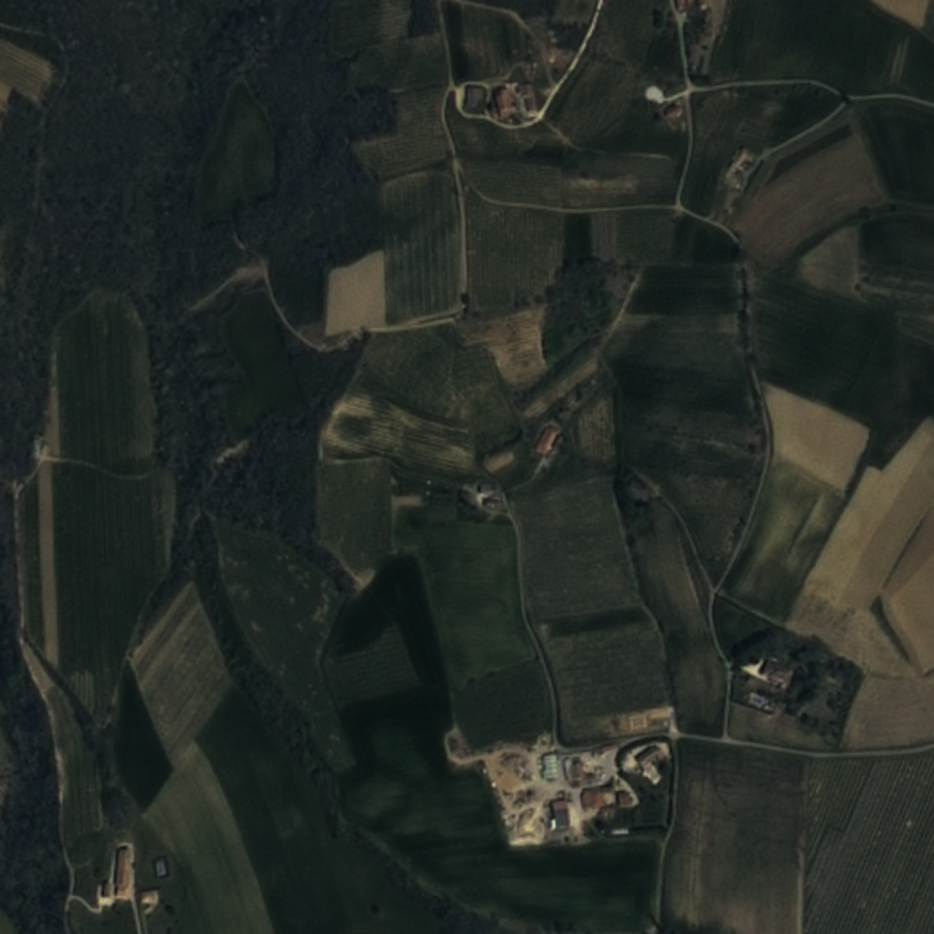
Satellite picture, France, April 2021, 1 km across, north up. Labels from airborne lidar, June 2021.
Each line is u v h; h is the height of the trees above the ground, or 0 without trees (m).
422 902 8
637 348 0
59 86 19
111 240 20
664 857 0
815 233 0
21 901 17
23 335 21
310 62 14
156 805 0
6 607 15
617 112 0
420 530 0
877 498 0
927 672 0
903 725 0
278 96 17
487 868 0
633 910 0
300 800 0
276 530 19
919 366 0
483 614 0
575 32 10
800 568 0
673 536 0
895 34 0
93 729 15
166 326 15
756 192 0
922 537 0
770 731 0
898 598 0
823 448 0
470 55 0
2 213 19
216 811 0
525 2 6
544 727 0
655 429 6
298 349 7
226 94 13
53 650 0
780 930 0
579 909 0
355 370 13
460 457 0
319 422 15
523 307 10
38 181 25
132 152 17
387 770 0
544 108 0
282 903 0
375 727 0
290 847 0
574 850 0
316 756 8
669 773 10
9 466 17
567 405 14
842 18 0
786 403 0
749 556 0
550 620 0
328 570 21
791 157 0
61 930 16
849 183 0
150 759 0
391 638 0
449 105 0
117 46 0
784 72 0
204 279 12
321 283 7
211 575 7
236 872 0
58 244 25
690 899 0
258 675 9
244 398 0
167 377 18
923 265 0
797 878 0
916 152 0
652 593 0
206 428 15
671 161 0
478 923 17
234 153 0
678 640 0
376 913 10
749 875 0
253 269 0
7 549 10
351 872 0
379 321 0
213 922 0
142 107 21
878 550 0
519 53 0
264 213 15
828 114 0
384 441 0
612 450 0
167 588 14
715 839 0
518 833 0
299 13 12
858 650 0
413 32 12
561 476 0
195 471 20
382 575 0
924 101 0
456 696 0
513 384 0
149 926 0
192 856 0
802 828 0
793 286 0
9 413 18
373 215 11
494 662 0
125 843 0
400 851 0
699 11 10
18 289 17
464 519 0
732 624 0
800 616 0
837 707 12
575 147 0
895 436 0
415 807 0
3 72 0
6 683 29
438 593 0
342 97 9
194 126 19
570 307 18
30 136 11
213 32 9
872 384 0
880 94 0
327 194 18
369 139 18
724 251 0
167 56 15
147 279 31
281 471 13
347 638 0
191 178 13
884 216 0
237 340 0
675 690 19
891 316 0
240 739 0
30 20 18
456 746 0
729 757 0
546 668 0
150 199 25
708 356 0
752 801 0
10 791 32
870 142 0
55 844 15
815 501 0
